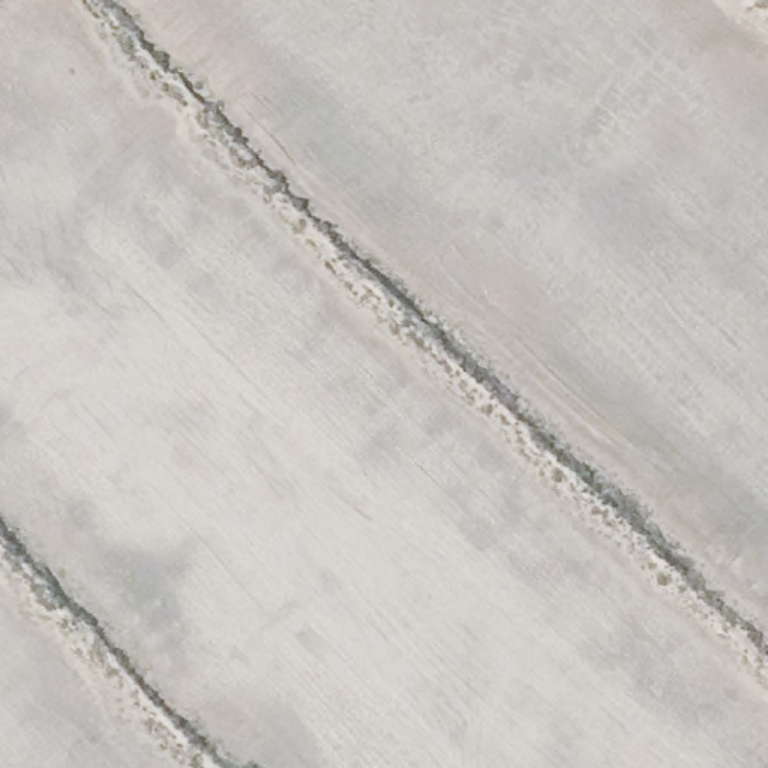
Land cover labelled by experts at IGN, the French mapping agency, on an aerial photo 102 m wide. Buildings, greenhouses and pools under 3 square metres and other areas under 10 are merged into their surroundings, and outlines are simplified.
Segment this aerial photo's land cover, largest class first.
<instances>
[{"label":"pervious surface","instance_id":"1","mask_svg":"<svg viewBox=\"0 0 768 768\"><path fill-rule=\"evenodd\" d=\"M159 63L141 45H135V54L126 57L117 39H99L96 15L81 0H0V513L18 531L27 549L57 573L60 585L105 624L108 636L120 648H126V654L138 663L144 678L156 684L159 693L183 717L198 723L201 732L210 741H216L219 753L234 759L240 768H768V660L756 654V645L747 639L744 630L726 624L693 588H687L681 573L669 567L645 543L642 534H636L609 504L591 495L588 486L567 465H561L549 450H543L531 438L528 426H522L435 339L426 342L423 351H417L405 336H393L390 327L393 321L405 318V309L393 297H387V291L378 282L351 267L315 225H309V219L297 207H291L276 192V183L270 177H264L258 168H240L231 159L228 144L234 138L225 135L219 126L204 129L198 123V102L177 105L150 81V72ZM129 12L141 21L147 36L162 51H168L171 60L180 63L192 81L204 84V96L222 102L225 114L249 135L261 156L273 168L288 174L291 189L309 198L312 210L330 219L348 243H354L363 255L375 258L384 273L402 282L405 291L429 312V318L438 321L480 366L492 369L501 378V384L519 393V405L528 414L540 417L546 432H552L573 456L588 462L603 483H615L624 495H630L645 513V519L654 528H660L663 537L675 546V552L684 555L705 576V582L714 591H720L738 615L750 618L768 639V0H135ZM0 768H213V759L201 747H195L135 687L123 666L96 642L90 627L75 621L66 609H60L45 579L33 576L30 567L9 555L6 543L0 540Z\"/></svg>","mask_w":768,"mask_h":768},{"label":"brushwood","instance_id":"2","mask_svg":"<svg viewBox=\"0 0 768 768\"><path fill-rule=\"evenodd\" d=\"M96 15L99 39H117L126 57L135 54V45H141L159 63L150 72V81L177 105L198 102V123L204 129L219 126L225 135L234 138L228 144L231 159L240 168H258L264 177H270L276 183V192L291 207H297L309 219V225H315L351 267L378 282L387 291V297H393L405 309V318L393 321L390 327L393 336H405L417 351H423L426 342L435 339L522 426H528L531 438L543 450H549L561 465H567L588 486L591 495L609 504L636 534H642L645 543L669 567L681 573L687 588H693L726 624L744 630L747 639L756 645V654L768 660V639L750 618L738 615L720 591H714L705 582V576L684 555L675 552V546L663 537L660 528H654L645 519V513L630 495H624L615 483H603L588 462L573 456L552 432H546L540 417L528 414L519 405V393L501 384V378L492 369L480 366L438 321L429 318V312L405 291L402 282L384 273L375 258L363 255L354 243H348L330 219L312 210L309 198L291 189L288 174L273 168L261 156L249 135L225 114L222 102L204 96V84L192 81L180 63L171 60L168 51H162L147 36L141 21L129 12L135 0H81ZM0 540L6 543L9 555L30 567L33 576L45 579L60 609H66L75 621L90 627L96 642L123 666L135 687L195 747H201L213 759V768H240L234 759L219 753L216 741H210L201 732L198 723L183 717L159 693L156 684L144 678L138 663L126 654V648H120L108 636L105 624L60 585L57 573L27 549L18 531L0 513Z\"/></svg>","mask_w":768,"mask_h":768}]
</instances>
